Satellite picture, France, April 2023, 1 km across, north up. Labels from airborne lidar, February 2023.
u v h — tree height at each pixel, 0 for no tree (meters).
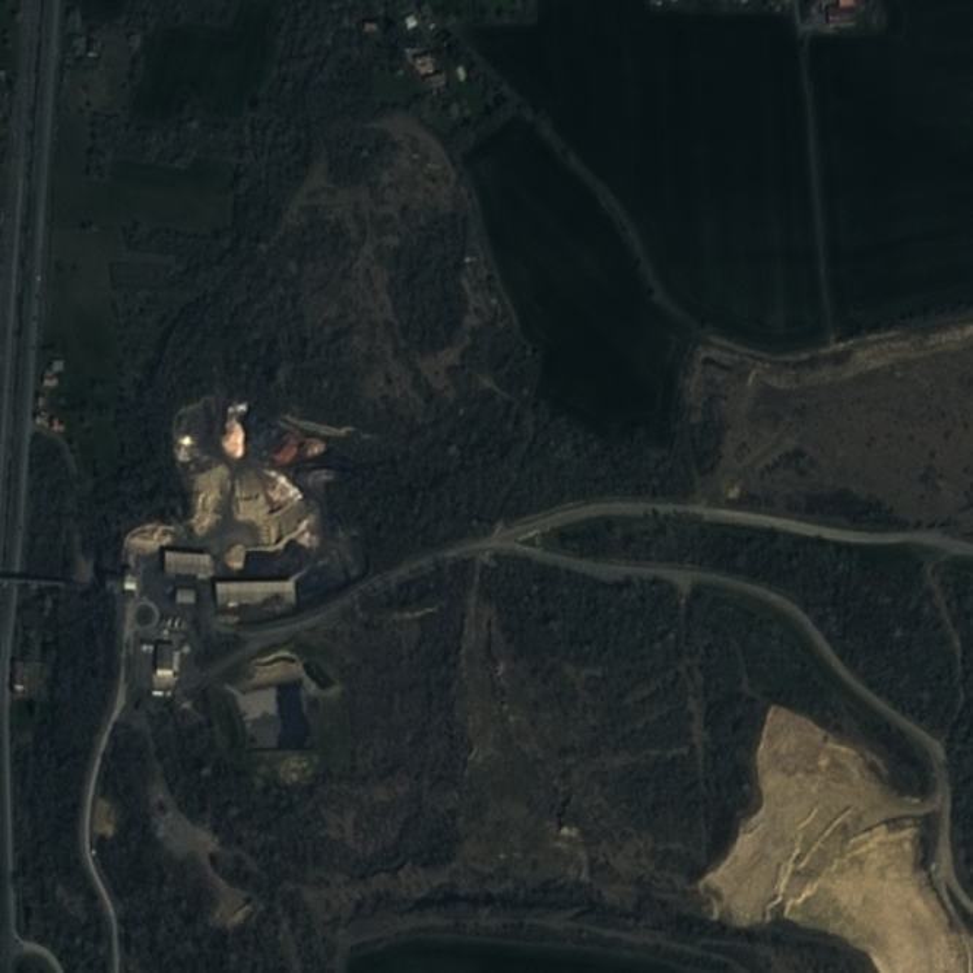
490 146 0
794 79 0
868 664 6
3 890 0
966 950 0
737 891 0
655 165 0
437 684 10
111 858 17
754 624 6
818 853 0
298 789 12
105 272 0
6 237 0
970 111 0
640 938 0
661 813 15
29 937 8
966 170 0
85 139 0
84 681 16
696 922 10
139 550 0
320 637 0
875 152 0
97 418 9
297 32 8
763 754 0
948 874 0
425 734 11
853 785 0
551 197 0
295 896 8
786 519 0
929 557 0
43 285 0
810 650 0
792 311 0
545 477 13
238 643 10
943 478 7
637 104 0
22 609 6
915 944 0
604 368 0
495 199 0
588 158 0
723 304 0
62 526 14
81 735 14
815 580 17
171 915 25
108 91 0
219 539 0
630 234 11
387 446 9
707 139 0
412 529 16
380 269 7
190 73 0
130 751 14
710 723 6
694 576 0
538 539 0
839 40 0
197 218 0
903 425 0
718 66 0
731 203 0
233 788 16
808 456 9
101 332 0
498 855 0
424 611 17
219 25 10
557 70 0
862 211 0
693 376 12
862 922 0
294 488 0
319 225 13
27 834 6
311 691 0
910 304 0
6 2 13
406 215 8
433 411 14
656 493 7
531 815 0
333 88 8
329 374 10
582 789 0
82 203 0
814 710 8
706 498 0
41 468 8
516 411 12
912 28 0
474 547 0
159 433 10
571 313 0
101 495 7
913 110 0
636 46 0
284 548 0
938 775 0
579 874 0
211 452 0
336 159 11
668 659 12
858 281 0
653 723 7
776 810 0
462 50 13
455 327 10
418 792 7
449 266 16
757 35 0
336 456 0
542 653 14
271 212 9
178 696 0
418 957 0
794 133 0
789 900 0
